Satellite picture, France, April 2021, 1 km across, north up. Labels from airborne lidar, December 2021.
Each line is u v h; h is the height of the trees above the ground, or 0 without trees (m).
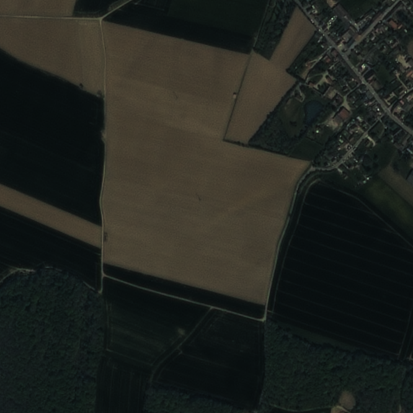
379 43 0
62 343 19
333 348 10
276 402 14
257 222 0
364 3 0
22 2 0
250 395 0
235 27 0
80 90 0
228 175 0
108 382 0
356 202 0
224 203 0
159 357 0
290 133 0
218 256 0
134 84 0
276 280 0
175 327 0
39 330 23
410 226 0
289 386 17
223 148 0
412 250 0
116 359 0
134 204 0
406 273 0
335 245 0
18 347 26
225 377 0
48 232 0
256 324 0
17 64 0
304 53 7
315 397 17
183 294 0
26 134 0
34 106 0
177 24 0
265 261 0
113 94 0
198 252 0
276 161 0
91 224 0
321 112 9
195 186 0
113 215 0
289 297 0
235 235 0
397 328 0
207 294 0
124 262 0
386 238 0
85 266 0
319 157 8
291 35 0
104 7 0
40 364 24
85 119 0
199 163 0
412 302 0
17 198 0
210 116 0
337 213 0
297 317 0
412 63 0
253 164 0
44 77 0
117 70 0
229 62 0
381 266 0
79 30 0
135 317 0
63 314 20
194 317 0
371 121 7
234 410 15
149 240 0
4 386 19
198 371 0
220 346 0
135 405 0
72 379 22
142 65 0
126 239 0
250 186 0
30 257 0
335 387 16
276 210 0
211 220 0
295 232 0
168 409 16
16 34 0
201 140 0
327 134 0
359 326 0
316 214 0
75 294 23
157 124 0
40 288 20
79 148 0
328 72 10
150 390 16
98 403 0
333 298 0
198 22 0
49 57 0
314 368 22
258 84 0
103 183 0
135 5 0
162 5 0
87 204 0
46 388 25
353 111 0
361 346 0
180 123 0
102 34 0
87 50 0
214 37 0
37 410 23
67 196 0
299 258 0
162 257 0
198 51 0
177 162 0
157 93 0
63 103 0
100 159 0
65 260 0
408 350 0
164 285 0
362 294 0
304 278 0
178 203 0
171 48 0
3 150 0
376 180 0
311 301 0
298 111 0
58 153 0
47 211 0
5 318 23
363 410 8
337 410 0
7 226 0
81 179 0
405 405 16
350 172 0
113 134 0
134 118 0
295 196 0
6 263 0
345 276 0
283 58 0
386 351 0
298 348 22
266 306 0
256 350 0
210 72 0
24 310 24
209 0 0
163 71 0
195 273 0
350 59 9
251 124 0
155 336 0
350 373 18
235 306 0
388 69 13
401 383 19
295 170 0
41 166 0
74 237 0
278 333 17
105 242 0
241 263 0
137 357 0
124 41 0
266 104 0
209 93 0
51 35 0
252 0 0
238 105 0
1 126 0
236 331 0
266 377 15
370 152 0
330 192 0
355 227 0
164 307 0
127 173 0
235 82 0
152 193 0
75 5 0
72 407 21
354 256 0
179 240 0
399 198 0
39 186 0
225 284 0
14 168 0
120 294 0
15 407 19
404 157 7
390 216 0
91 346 15
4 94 0
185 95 0
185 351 0
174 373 0
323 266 0
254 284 0
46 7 0
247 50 0
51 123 0
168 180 0
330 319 0
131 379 0
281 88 0
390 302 0
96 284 0
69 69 0
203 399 17
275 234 0
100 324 10
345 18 0
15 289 21
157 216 0
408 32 6
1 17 0
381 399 22
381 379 22
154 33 0
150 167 0
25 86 0
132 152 0
